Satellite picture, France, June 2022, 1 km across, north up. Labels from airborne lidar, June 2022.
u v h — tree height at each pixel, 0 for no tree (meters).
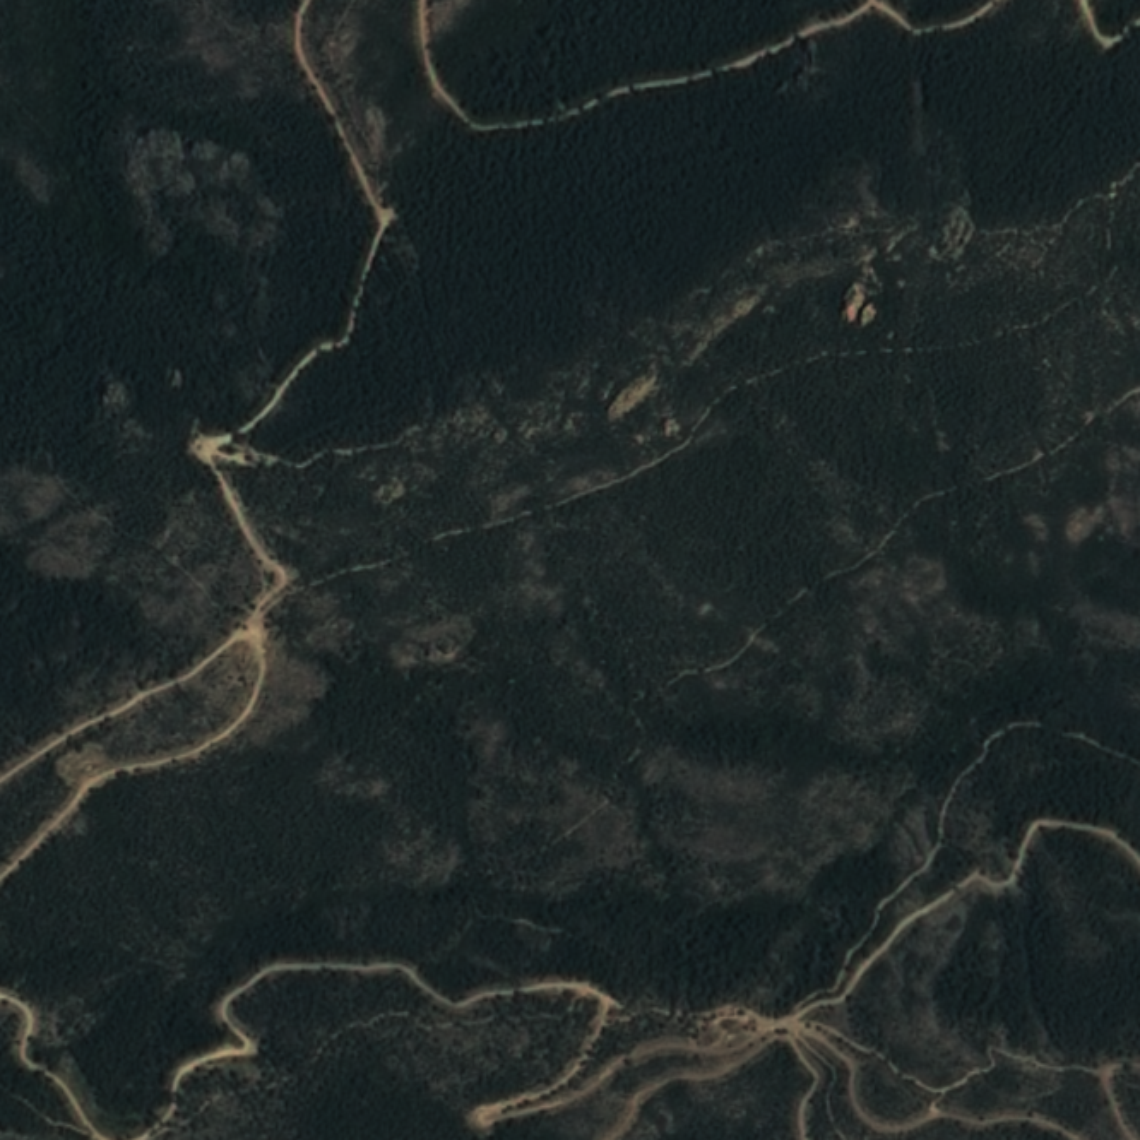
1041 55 12
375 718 13
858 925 11
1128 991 7
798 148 11
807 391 13
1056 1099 7
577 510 11
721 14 12
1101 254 8
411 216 13
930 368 11
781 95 7
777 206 11
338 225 12
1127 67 7
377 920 8
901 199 8
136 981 14
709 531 7
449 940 10
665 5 12
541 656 9
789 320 11
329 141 9
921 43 8
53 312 9
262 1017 7
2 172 7
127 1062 8
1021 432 8
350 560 8
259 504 8
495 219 12
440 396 9
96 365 13
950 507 10
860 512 6
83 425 9
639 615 8
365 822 7
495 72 9
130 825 6
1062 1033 10
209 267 10
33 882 7
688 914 8
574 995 7
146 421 8
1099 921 9
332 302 13
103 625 9
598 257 10
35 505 0
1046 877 7
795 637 7
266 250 11
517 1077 7
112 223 10
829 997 9
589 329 8
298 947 13
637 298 8
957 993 12
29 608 10
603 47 11
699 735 8
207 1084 6
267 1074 9
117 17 10
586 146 12
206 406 11
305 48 0
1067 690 7
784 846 6
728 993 10
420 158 6
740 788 0
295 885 9
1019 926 12
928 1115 0
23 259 8
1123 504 0
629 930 9
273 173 12
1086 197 7
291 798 9
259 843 8
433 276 11
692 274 9
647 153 10
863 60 7
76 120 9
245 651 0
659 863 9
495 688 9
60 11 7
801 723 8
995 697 6
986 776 11
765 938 10
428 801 10
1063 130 13
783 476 10
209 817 7
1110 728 9
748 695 11
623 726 6
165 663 8
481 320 9
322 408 9
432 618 8
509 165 11
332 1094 10
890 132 9
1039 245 6
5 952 9
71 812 0
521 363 7
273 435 8
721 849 0
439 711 11
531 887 8
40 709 8
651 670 9
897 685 6
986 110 10
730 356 8
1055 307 9
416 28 0
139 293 14
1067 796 11
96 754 0
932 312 10
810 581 9
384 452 7
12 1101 10
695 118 14
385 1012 7
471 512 7
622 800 8
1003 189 10
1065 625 6
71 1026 10
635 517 7
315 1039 7
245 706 0
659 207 11
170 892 7
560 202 13
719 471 9
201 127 10
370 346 11
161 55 6
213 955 8
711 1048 0
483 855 8
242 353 8
